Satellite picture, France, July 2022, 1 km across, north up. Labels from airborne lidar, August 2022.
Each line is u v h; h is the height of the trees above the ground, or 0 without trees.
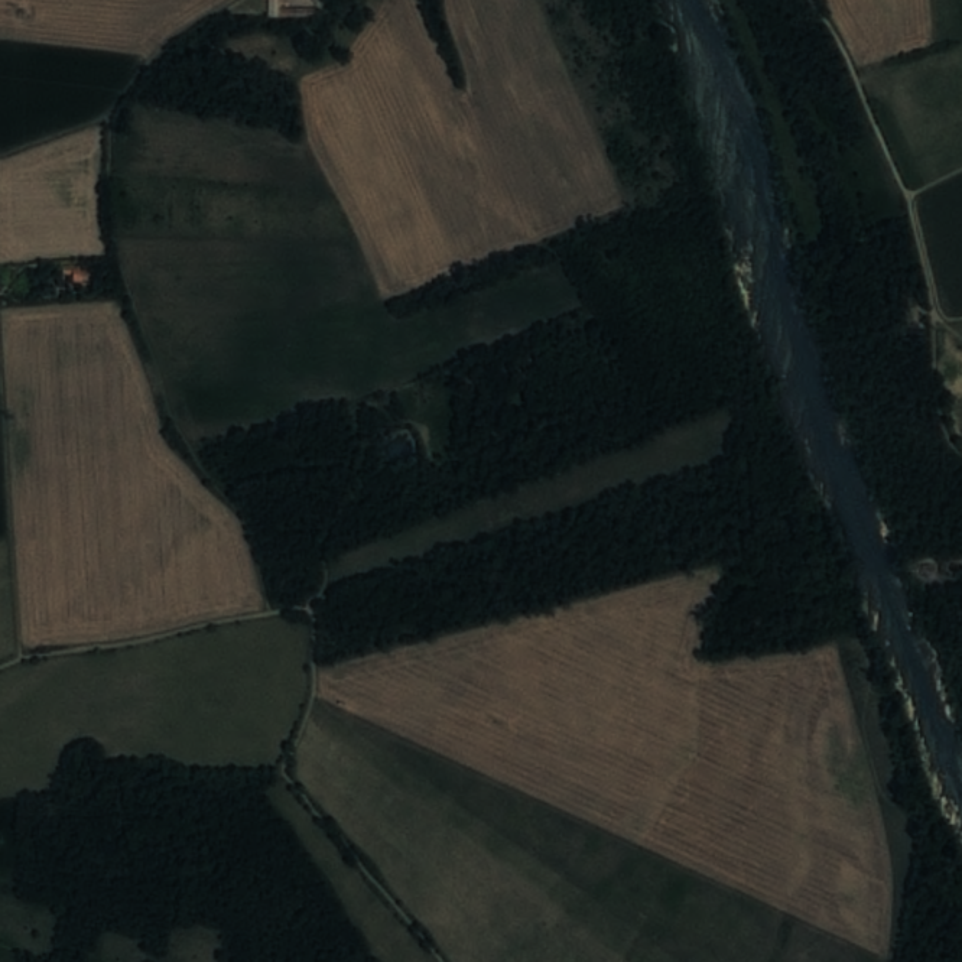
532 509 0
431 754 0
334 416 18
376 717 0
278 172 0
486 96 0
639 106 8
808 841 0
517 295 0
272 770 12
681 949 0
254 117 9
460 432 13
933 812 15
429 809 0
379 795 0
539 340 16
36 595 0
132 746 0
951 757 0
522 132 0
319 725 0
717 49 0
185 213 0
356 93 0
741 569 12
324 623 9
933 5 0
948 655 8
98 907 15
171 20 0
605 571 10
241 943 12
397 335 0
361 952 16
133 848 17
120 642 0
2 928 0
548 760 0
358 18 18
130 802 14
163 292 0
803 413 0
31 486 0
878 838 0
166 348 0
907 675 0
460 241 0
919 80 0
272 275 0
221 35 17
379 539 11
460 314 0
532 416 14
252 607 0
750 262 0
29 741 0
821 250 25
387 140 0
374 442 13
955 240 0
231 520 0
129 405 0
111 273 7
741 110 0
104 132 8
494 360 17
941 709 0
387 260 0
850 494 0
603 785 0
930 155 0
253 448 11
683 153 11
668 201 8
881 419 16
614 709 0
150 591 0
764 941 0
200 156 0
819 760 0
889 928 0
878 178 0
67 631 0
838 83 18
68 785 13
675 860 0
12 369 0
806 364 0
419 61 0
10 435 0
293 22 15
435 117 0
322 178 0
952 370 0
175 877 9
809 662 0
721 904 0
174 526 0
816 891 0
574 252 10
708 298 8
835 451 0
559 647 0
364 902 0
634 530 13
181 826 17
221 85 14
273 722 0
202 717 0
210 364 0
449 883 0
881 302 17
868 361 25
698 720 0
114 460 0
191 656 0
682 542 32
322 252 0
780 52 18
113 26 0
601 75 7
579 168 0
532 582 13
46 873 11
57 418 0
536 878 0
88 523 0
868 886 0
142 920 12
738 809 0
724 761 0
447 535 0
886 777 0
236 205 0
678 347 13
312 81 0
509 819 0
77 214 0
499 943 0
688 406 10
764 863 0
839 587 8
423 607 13
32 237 0
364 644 8
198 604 0
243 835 16
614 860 0
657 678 0
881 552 0
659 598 0
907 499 19
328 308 0
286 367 0
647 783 0
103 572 0
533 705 0
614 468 0
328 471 17
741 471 9
